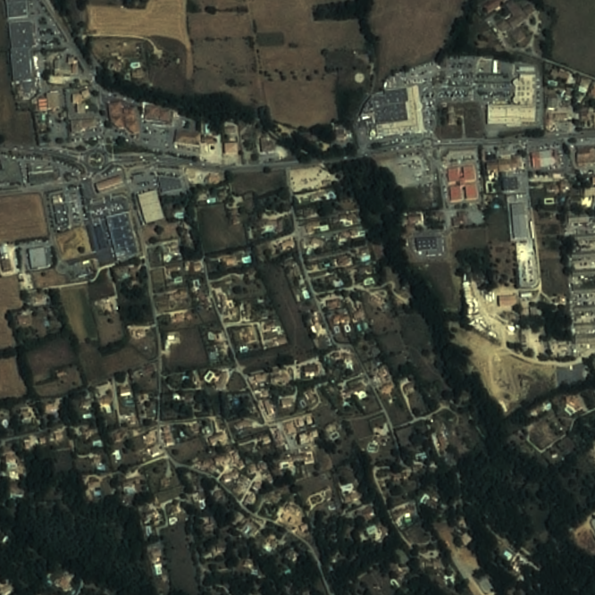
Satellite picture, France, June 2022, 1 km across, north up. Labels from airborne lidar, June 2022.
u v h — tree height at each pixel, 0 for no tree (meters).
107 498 10
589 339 0
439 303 16
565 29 0
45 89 0
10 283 0
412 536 0
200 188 11
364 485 11
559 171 0
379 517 11
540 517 0
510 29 0
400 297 0
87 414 0
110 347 8
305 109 0
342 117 6
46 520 10
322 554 12
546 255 0
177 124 0
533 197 5
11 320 11
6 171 0
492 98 0
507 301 0
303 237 0
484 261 9
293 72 8
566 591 17
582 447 6
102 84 10
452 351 22
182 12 0
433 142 0
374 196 22
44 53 9
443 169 0
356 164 19
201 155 0
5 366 0
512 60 9
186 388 11
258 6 0
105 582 9
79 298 0
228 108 8
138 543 14
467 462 13
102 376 0
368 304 0
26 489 9
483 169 8
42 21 7
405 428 7
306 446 0
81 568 10
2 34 0
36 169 0
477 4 11
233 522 14
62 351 0
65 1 14
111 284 0
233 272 6
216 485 7
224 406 18
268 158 0
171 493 0
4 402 16
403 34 0
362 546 12
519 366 0
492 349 0
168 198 16
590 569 17
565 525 14
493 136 0
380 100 0
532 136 11
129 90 20
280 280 0
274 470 8
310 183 0
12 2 0
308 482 0
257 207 6
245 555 13
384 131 0
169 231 0
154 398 7
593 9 0
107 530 7
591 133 0
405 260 15
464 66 0
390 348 0
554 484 15
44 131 7
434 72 0
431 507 11
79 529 14
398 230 17
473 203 0
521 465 11
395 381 7
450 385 14
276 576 9
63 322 12
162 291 7
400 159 0
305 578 16
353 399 8
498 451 16
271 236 16
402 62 0
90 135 0
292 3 0
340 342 6
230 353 7
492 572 12
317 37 0
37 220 0
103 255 0
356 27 0
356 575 11
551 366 0
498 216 0
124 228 0
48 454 0
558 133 0
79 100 0
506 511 13
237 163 0
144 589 16
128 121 0
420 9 0
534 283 0
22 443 0
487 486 8
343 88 0
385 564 12
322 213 14
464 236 0
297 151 17
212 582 12
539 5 14
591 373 10
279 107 0
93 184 0
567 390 12
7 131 0
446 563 14
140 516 8
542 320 17
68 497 8
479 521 10
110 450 8
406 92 0
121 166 0
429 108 0
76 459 9
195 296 6
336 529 8
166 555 11
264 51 0
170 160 0
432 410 12
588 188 16
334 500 10
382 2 0
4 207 0
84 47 10
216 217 0
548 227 0
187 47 0
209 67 0
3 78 0
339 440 11
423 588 14
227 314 0
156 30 0
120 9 0
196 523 8
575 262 0
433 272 0
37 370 0
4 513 16
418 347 0
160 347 0
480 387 12
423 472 8
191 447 0
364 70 0
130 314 7
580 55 0
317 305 0
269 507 11
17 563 15
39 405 14
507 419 9
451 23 0
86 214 6
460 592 12
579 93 11
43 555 16
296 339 0
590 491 9
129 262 11
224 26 0
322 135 22
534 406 7
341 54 0
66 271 0
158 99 19
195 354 0
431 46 0
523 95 0
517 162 0
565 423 7
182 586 0
